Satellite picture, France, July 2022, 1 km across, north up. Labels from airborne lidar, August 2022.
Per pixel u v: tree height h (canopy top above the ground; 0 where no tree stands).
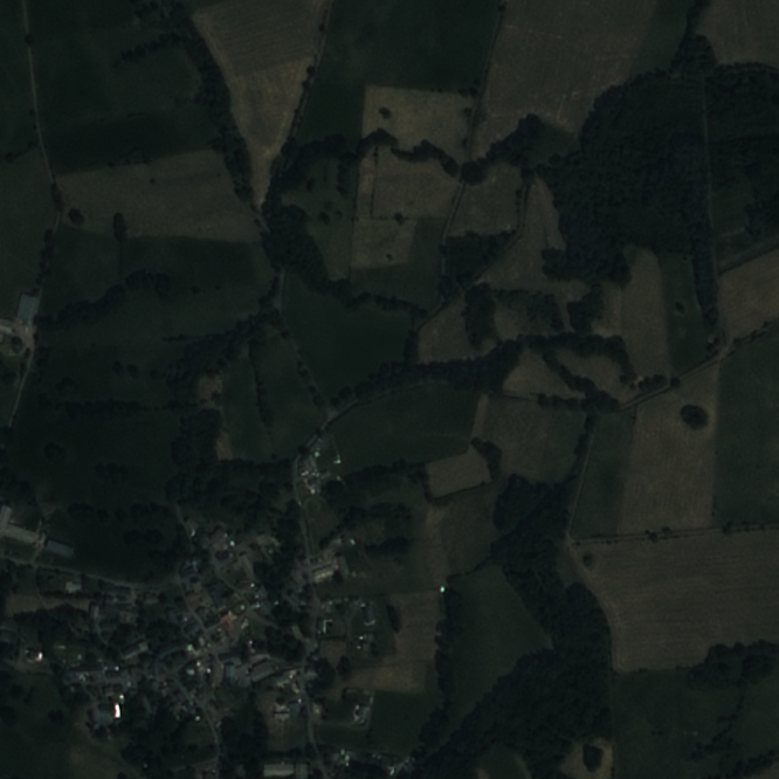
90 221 0
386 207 0
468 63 0
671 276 0
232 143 18
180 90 0
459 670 0
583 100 0
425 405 0
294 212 15
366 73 0
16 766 0
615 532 0
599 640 15
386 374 16
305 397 0
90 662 9
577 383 15
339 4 0
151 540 18
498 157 18
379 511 8
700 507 0
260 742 18
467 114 6
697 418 10
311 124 0
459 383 20
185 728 15
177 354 0
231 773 17
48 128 0
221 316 0
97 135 0
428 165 0
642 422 0
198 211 0
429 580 0
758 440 0
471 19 0
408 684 0
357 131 0
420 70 0
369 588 0
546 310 6
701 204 26
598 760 18
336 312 0
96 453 0
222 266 0
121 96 0
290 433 0
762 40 0
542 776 8
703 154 27
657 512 0
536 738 22
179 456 23
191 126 0
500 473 12
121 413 19
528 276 0
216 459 11
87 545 0
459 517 0
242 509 18
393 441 0
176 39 19
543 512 23
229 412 0
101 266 0
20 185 0
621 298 0
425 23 0
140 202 0
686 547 0
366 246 0
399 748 0
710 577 0
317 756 10
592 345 18
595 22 0
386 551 16
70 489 0
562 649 23
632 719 0
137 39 0
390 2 0
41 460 0
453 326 0
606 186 9
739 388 0
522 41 0
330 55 0
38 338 10
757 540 0
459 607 21
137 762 18
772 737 0
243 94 0
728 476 0
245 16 0
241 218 0
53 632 16
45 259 11
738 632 0
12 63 0
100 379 0
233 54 0
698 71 20
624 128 19
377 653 8
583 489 0
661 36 0
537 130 20
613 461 0
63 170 0
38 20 0
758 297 0
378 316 0
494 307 15
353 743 0
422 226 0
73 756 0
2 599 11
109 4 0
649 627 0
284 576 10
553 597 15
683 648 0
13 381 7
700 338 0
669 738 0
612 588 0
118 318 0
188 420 14
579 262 21
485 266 7
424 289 0
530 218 0
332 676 12
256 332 20
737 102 18
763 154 8
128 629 17
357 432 0
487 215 0
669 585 0
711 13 0
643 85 16
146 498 0
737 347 10
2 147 0
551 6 0
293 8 0
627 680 0
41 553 0
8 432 14
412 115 0
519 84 0
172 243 0
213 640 7
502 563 16
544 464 0
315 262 20
